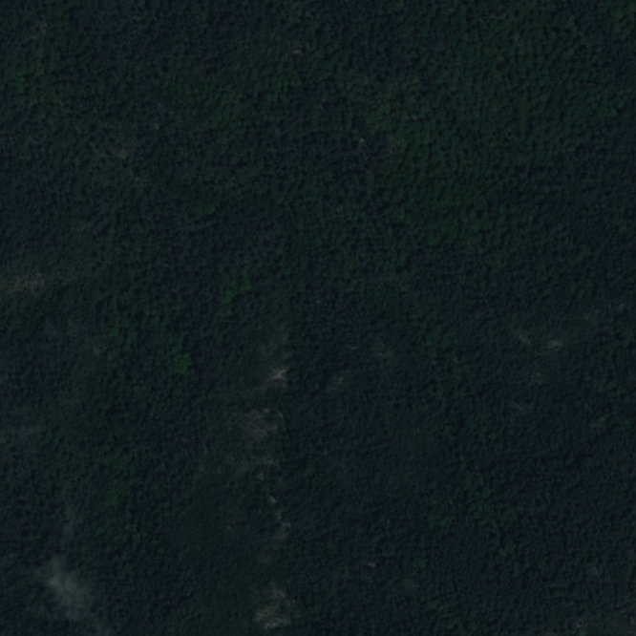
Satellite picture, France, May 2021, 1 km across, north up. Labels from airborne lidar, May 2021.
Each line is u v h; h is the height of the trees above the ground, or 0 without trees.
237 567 8
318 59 15
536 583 27
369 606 13
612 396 15
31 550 11
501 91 17
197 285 21
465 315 8
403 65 23
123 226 16
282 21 7
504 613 22
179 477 20
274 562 9
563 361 10
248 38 18
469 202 15
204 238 6
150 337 20
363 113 16
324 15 16
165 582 11
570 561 18
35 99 15
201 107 8
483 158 21
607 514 10
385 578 9
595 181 9
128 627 20
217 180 7
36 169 23
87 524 17
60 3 12
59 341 17
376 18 27
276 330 10
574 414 11
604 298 16
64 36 21
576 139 18
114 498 19
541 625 17
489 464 6
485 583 27
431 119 20
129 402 12
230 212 23
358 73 17
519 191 10
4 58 21
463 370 9
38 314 23
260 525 8
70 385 11
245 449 9
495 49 16
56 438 10
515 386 8
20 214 10
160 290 17
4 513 26
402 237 27
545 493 20
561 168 9
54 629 15
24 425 17
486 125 19
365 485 14
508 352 15
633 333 12
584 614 17
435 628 22
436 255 14
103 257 11
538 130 23
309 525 9
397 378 18
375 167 9
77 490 19
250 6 8
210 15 7
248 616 9
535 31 16
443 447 11
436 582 24
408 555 8
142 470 7
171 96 10
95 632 19
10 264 16
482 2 25
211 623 15
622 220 18
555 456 7
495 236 15
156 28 31
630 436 15
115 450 18
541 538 25
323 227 12
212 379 6
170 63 28
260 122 6
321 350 12
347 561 16
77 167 26
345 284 10
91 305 17
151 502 7
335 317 20
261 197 22
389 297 18
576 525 19
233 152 18
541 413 7
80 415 20
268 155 14
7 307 11
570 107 19
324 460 7
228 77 6
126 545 13
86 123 9
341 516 10
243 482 20
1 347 10
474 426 11
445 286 11
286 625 8
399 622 8
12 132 28
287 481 8
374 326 17
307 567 12
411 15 22
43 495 23
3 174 28
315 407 9
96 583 7
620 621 6
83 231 8
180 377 16
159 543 12
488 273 9
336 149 27
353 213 11
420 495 7
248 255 24
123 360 12
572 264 18
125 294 20
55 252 22
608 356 12
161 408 9
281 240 30
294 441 13
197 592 18
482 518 11
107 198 25
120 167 6
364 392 8
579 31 13
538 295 10
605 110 14
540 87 13
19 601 14
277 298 8
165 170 26
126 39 21
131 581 20
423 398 20
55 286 9
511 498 9
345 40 22
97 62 33
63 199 29
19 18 7
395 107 16
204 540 8
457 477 16
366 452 6
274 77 17
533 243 10
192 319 20
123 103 11
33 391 18
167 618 21
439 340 15
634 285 13
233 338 18
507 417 27
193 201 24
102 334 11
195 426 11
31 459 26
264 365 7
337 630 17
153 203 18
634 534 14
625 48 16
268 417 10
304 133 15
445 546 26
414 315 17
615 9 12
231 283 16
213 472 8
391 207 31
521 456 11
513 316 19
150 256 11
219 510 9
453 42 18
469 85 14
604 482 23
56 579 9
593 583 13
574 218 11
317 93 24
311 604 24
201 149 23
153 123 17
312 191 15
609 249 10
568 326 9
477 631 11
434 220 15
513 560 26
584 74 19
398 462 10
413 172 11
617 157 9
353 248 8
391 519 10
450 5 9
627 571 24
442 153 21
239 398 7
